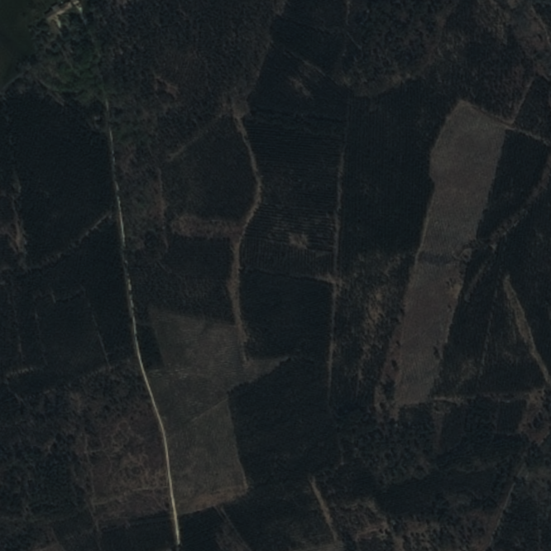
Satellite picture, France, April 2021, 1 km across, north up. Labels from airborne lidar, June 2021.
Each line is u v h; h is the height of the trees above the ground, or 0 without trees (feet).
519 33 34
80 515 36
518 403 24
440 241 0
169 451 0
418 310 0
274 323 28
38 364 30
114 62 68
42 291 40
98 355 24
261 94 31
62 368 26
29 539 27
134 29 85
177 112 47
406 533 54
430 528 55
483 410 40
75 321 40
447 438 22
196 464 0
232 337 0
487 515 32
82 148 37
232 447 0
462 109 0
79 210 29
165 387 0
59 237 31
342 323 29
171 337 0
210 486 0
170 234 35
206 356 0
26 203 38
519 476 0
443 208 0
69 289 38
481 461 28
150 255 47
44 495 81
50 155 38
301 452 21
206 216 29
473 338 25
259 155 32
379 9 76
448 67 25
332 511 23
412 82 24
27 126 37
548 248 23
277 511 32
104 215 28
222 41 62
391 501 28
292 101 22
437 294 0
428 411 23
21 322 37
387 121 24
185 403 0
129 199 39
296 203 26
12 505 36
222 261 35
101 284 31
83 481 52
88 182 31
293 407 23
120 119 59
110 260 34
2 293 33
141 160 52
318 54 34
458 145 0
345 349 26
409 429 59
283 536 28
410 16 31
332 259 23
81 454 27
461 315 26
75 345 28
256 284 24
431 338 0
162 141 48
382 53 81
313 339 31
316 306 30
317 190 26
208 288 45
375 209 28
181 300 43
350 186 29
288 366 32
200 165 28
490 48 25
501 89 30
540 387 24
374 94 94
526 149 26
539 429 64
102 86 65
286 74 32
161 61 47
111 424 20
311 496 23
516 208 29
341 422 70
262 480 26
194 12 65
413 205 29
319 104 27
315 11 25
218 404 0
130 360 23
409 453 68
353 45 24
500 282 28
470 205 0
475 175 0
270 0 49
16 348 37
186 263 32
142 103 55
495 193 32
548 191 29
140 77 76
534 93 26
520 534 38
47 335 36
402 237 29
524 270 25
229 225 32
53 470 82
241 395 22
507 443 53
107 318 31
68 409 47
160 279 48
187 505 0
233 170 32
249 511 29
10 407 52
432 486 28
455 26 26
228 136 26
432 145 28
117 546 31
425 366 0
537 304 22
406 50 43
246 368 0
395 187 25
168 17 62
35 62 44
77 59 50
